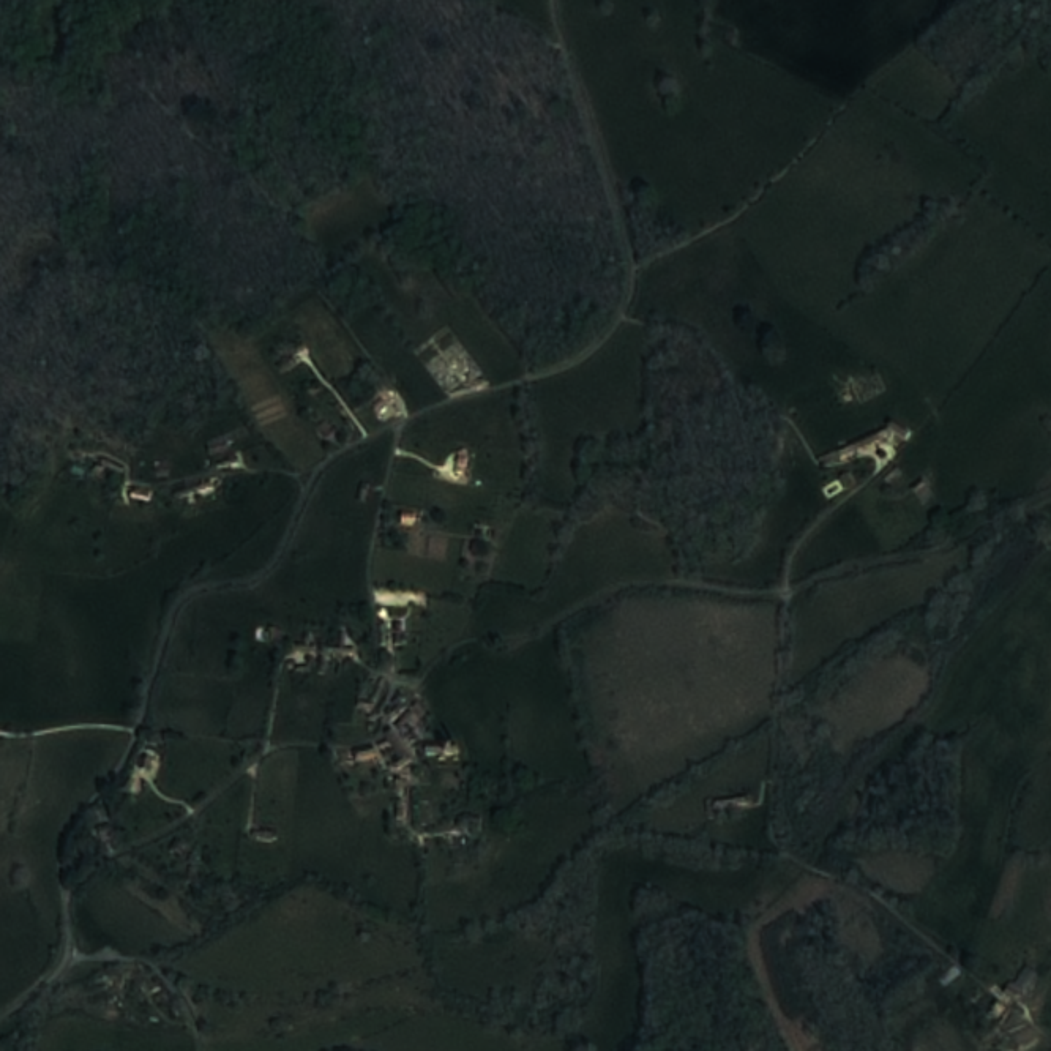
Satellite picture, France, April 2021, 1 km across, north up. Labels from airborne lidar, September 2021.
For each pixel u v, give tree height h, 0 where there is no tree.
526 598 7
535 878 0
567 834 0
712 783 0
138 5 25
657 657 0
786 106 0
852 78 0
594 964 18
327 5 20
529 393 6
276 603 0
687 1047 24
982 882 0
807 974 17
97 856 8
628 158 0
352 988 0
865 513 0
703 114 0
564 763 0
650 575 0
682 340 17
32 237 21
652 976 21
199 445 0
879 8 0
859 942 0
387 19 17
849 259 0
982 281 0
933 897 0
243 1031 0
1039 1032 0
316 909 0
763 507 10
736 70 0
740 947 20
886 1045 20
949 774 21
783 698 14
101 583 0
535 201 19
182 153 18
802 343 0
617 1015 0
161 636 0
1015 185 0
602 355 0
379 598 0
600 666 0
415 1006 0
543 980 12
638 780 0
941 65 19
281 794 0
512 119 17
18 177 24
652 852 22
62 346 23
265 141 23
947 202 9
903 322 0
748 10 0
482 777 7
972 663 0
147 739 6
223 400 16
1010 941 0
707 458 19
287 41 20
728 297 0
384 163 19
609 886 0
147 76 8
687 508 22
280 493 0
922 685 0
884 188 0
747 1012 22
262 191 22
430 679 0
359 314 14
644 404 10
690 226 0
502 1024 12
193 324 19
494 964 0
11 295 18
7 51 19
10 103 21
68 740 0
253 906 11
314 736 0
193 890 11
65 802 0
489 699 0
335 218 0
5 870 0
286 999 8
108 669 0
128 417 15
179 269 18
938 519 14
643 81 0
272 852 0
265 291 21
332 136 23
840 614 0
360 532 0
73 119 18
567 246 20
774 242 0
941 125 7
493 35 19
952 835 23
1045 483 0
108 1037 0
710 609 0
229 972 0
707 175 0
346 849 0
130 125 17
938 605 19
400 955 0
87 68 22
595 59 0
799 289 0
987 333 0
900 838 17
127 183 19
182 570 0
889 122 0
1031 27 24
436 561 0
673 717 0
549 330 19
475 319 0
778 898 0
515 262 17
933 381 0
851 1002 19
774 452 20
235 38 15
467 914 0
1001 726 0
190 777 0
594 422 0
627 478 16
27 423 20
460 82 18
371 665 6
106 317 19
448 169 20
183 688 0
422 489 0
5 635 0
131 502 0
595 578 0
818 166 0
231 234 20
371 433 0
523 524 0
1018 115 0
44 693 0
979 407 0
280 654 10
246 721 0
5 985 0
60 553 0
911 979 17
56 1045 0
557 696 0
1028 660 0
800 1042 0
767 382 0
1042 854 7
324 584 0
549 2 0
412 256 18
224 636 0
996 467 0
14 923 0
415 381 0
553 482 0
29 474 22
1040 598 0
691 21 0
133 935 0
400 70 22
